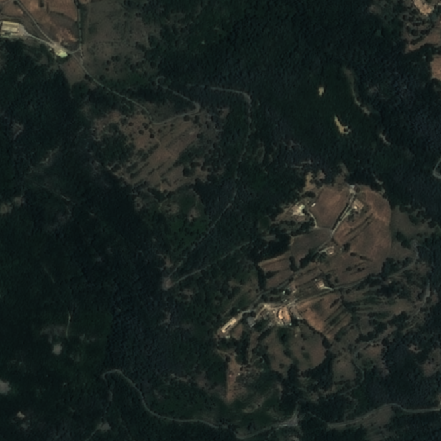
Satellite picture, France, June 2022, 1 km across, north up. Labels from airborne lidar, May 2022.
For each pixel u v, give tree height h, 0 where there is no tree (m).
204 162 8
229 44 10
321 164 16
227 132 9
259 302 0
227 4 18
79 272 7
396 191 16
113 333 9
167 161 0
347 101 16
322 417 11
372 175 15
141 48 11
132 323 14
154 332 9
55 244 7
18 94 14
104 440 11
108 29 0
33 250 9
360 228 0
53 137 13
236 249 7
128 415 18
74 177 8
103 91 8
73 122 13
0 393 5
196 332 0
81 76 0
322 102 14
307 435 7
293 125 11
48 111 11
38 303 20
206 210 10
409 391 15
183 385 10
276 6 15
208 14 6
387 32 15
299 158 18
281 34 14
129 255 10
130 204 11
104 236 12
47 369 12
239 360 0
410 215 9
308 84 13
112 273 13
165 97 9
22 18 0
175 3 12
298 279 0
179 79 14
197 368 9
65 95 14
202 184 9
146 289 13
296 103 9
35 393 15
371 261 0
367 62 8
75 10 0
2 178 7
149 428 10
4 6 0
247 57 11
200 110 6
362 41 10
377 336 7
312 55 16
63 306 16
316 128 16
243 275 0
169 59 11
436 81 11
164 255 6
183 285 13
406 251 0
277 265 0
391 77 10
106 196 10
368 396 8
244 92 9
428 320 10
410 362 9
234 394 0
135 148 6
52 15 0
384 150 12
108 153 7
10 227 14
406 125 12
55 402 13
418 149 24
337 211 0
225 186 15
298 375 6
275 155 8
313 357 0
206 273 11
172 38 7
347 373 0
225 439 13
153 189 8
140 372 7
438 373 12
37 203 7
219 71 24
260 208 8
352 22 10
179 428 12
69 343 16
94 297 7
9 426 12
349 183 10
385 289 11
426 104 9
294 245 0
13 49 11
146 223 7
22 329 10
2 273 11
